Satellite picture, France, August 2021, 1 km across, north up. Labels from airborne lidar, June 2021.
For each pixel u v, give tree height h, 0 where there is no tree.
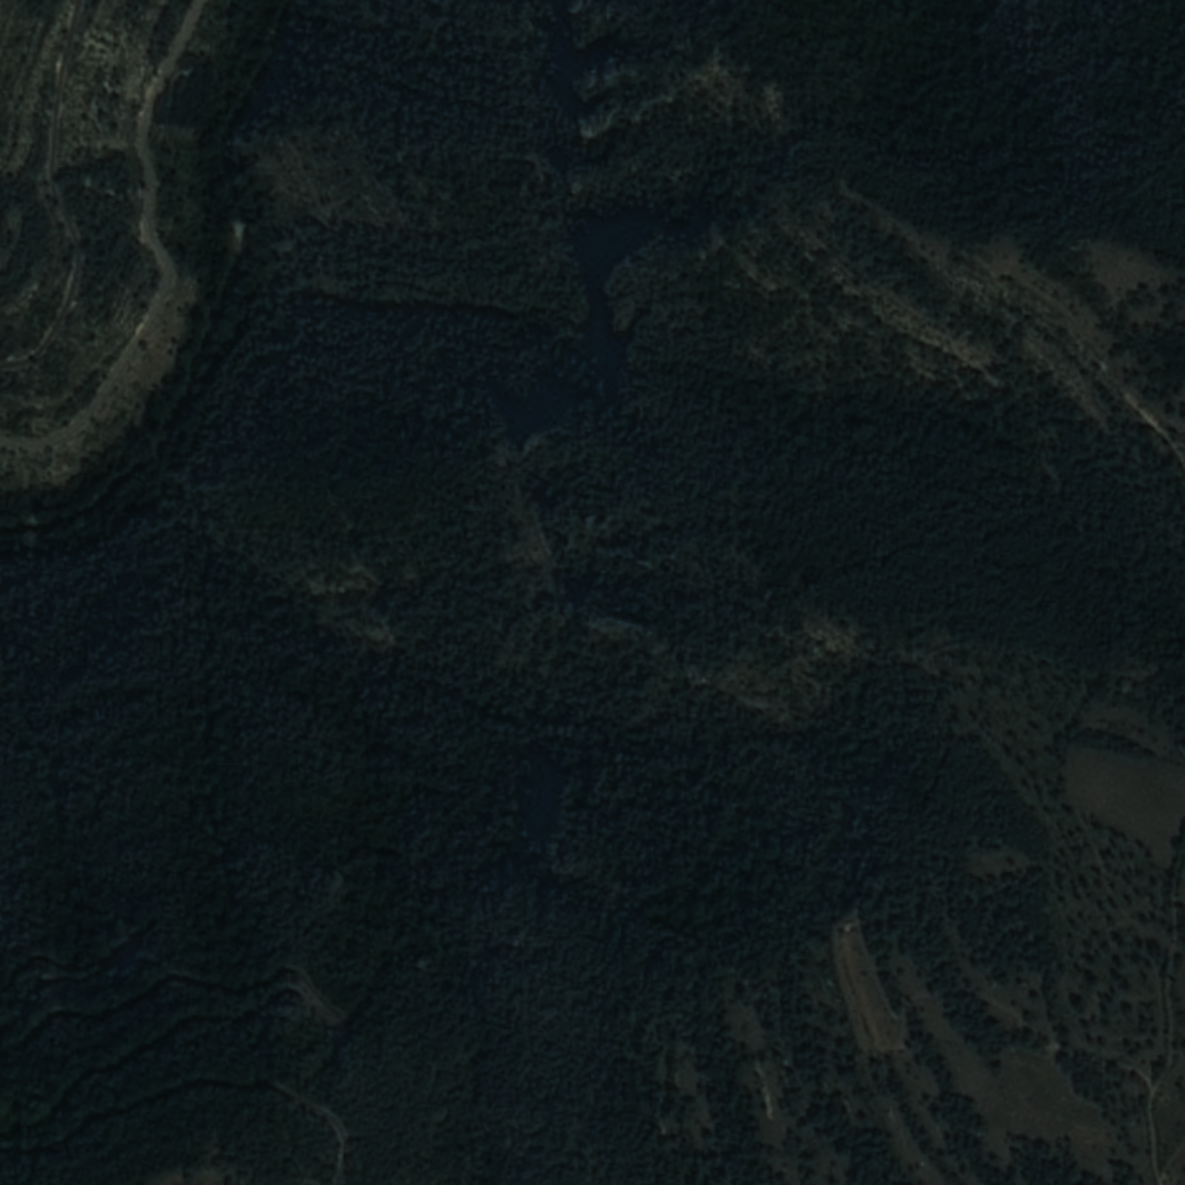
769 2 12
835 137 15
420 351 12
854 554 7
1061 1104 0
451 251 12
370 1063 7
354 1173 12
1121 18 10
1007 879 10
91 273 9
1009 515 13
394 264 10
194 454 16
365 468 10
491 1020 11
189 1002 12
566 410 7
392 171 10
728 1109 14
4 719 13
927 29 15
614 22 17
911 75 12
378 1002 17
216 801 24
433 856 7
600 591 16
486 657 7
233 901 16
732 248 8
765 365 8
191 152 9
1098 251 0
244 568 15
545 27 7
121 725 13
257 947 17
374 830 21
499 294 9
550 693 11
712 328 12
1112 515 11
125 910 14
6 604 20
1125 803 0
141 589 20
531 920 8
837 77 7
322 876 11
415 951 16
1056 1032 7
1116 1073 10
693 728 7
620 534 12
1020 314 8
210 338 9
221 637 14
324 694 15
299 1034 8
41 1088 20
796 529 8
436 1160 12
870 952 8
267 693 16
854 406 18
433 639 7
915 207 10
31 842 15
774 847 10
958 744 10
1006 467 13
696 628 10
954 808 11
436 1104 11
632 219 11
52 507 8
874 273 6
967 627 9
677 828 14
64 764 16
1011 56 15
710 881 15
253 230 16
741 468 11
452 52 17
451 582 8
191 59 8
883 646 9
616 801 9
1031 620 11
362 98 9
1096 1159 0
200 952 17
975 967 11
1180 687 7
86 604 14
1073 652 10
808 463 12
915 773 11
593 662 11
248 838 14
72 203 8
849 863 8
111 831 7
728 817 9
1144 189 12
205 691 18
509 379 14
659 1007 6
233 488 9
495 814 11
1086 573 16
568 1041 10
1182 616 7
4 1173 17
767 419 8
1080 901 14
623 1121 12
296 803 16
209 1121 12
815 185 8
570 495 9
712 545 13
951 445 14
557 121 13
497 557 8
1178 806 0
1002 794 12
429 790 7
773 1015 8
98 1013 9
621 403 7
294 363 9
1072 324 0
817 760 11
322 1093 7
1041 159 13
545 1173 6
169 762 13
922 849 10
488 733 14
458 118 15
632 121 9
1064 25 12
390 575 6
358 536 7
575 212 7
